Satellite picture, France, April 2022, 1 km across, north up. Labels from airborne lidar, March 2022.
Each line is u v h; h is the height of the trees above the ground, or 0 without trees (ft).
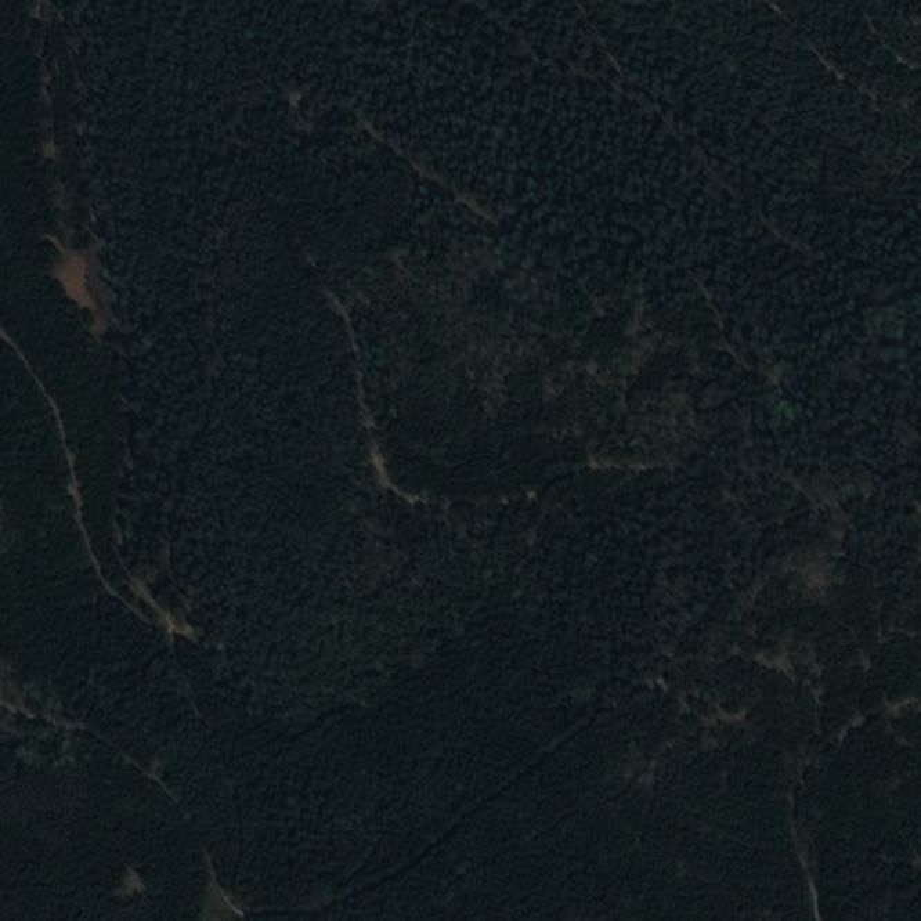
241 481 84
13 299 32
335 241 74
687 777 64
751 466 73
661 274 126
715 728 20
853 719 48
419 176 49
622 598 64
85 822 82
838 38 90
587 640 74
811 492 51
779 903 65
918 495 82
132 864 70
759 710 46
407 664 31
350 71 111
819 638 37
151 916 95
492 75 122
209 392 102
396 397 51
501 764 68
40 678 35
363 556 75
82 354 57
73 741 78
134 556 58
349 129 97
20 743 21
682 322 54
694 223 88
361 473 59
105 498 58
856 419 93
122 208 100
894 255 92
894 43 75
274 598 73
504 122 86
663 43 88
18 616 27
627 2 86
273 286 60
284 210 74
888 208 51
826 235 81
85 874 93
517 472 60
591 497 28
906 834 25
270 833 91
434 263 60
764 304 102
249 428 78
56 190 61
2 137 26
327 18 114
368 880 75
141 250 109
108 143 94
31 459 35
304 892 94
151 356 126
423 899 77
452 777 70
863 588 38
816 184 91
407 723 71
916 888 87
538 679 50
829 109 103
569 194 100
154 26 56
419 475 51
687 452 37
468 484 59
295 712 75
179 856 79
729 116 102
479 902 75
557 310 55
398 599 95
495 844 69
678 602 73
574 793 63
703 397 52
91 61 108
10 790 70
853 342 46
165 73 62
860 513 49
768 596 40
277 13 77
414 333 36
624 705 56
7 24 38
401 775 71
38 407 53
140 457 47
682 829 68
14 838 84
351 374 73
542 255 119
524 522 94
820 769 68
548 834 59
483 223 68
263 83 77
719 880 62
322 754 53
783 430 73
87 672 24
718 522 75
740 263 90
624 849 50
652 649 49
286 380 73
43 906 87
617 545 89
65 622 54
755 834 59
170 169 87
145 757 56
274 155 98
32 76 54
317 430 79
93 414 43
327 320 73
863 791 55
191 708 64
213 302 73
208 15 73
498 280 31
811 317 56
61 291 65
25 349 50
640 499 24
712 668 43
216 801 80
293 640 68
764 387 80
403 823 60
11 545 28
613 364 29
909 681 44
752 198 93
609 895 70
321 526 73
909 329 87
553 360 24
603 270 46
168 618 0
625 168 99
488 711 61
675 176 82
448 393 28
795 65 98
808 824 58
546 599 47
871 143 98
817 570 56
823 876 63
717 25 66
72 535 46
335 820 75
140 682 66
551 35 101
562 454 26
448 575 89
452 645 65
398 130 66
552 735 54
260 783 69
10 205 36
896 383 85
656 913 70
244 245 89
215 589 113
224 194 78
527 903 66
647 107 70
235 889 59
